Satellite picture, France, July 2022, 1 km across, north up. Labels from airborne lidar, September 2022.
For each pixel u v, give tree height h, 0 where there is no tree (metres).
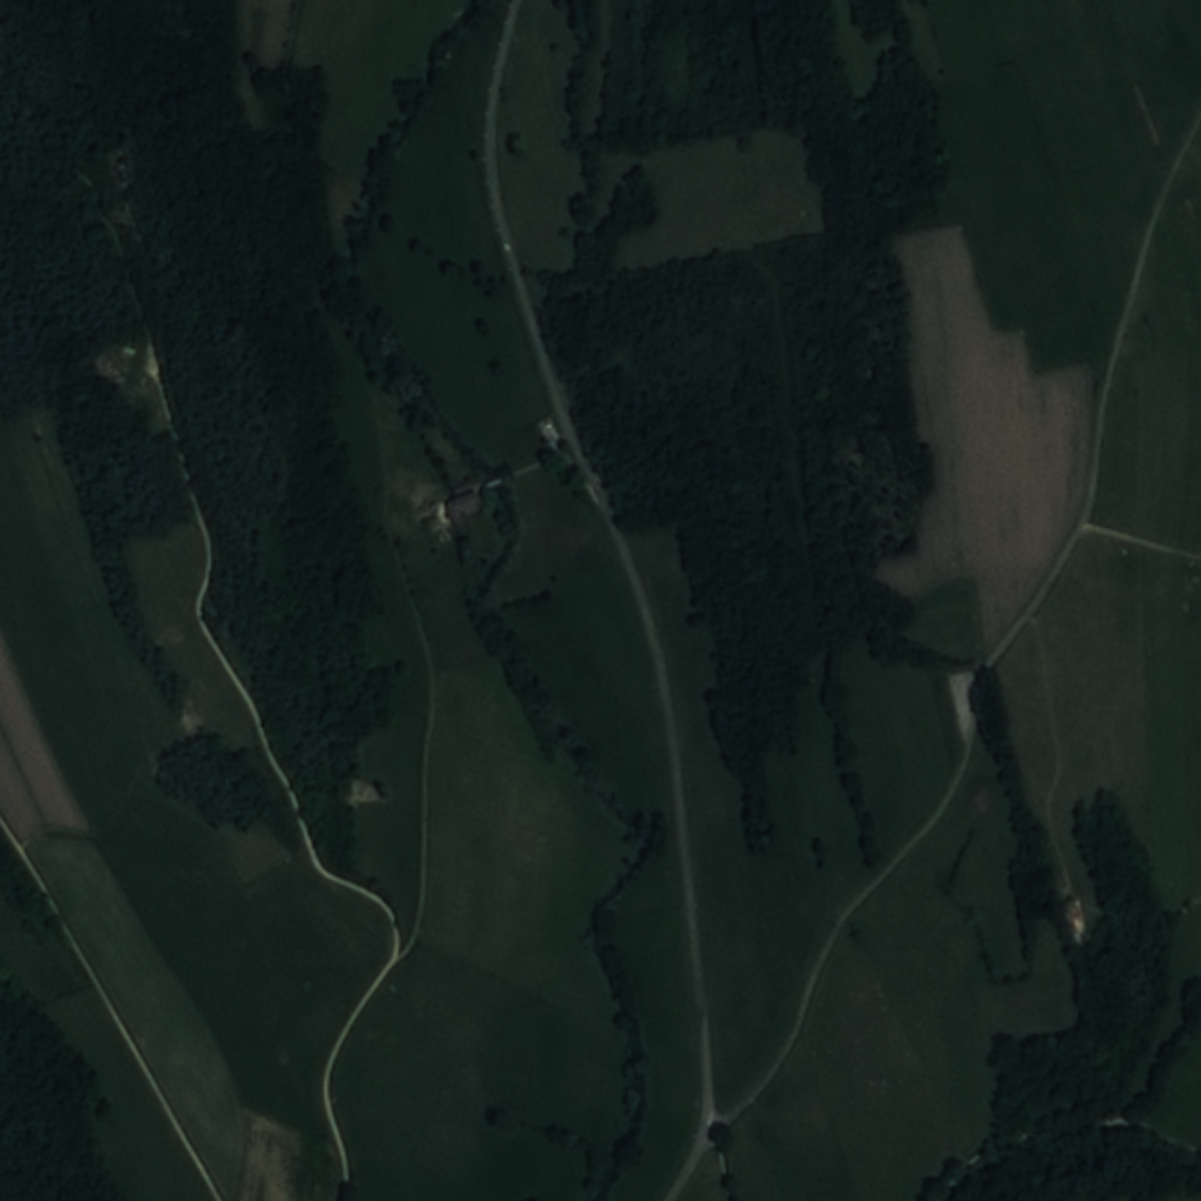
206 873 0
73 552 0
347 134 0
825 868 13
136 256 9
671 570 0
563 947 0
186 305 19
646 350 6
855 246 6
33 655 0
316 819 9
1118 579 0
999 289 0
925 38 0
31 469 0
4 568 0
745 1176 0
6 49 15
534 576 0
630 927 0
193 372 18
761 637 19
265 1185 0
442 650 0
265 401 11
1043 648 0
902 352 17
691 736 0
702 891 0
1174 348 0
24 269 13
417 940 0
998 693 21
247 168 17
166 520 12
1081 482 0
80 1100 19
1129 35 0
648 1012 0
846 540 13
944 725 0
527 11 0
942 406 0
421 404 7
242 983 0
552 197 0
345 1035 0
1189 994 17
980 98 0
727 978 0
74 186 14
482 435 0
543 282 8
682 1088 0
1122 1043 22
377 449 0
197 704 0
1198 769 0
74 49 17
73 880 0
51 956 0
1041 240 0
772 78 13
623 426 11
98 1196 15
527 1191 0
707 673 0
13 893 6
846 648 16
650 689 0
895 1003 0
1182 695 0
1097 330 0
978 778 0
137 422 8
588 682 0
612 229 14
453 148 0
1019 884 14
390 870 0
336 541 20
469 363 0
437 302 0
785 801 0
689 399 8
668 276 7
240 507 15
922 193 21
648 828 26
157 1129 0
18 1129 12
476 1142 0
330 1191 0
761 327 7
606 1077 0
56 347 7
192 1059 0
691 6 6
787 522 9
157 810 0
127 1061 0
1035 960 8
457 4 0
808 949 0
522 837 0
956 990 0
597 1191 11
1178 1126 0
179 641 0
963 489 0
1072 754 0
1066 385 0
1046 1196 27
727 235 0
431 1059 0
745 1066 0
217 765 11
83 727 0
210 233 18
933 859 0
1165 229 0
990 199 0
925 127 19
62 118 8
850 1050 0
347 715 17
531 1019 0
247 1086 0
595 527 0
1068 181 0
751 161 0
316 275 15
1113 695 0
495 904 0
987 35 0
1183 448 0
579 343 10
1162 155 0
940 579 0
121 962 0
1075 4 0
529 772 0
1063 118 0
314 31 0
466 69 0
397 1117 0
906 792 0
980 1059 0
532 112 0
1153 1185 17
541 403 0
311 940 0
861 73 0
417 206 0
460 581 0
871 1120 0
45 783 0
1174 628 0
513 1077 0
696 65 9
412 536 0
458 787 0
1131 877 24
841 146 18
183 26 18
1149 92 0
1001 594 0
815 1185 0
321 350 25
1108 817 18
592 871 0
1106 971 19
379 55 0
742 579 21
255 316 17
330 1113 0
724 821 0
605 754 0
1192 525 0
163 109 20
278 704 12
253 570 15
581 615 0
